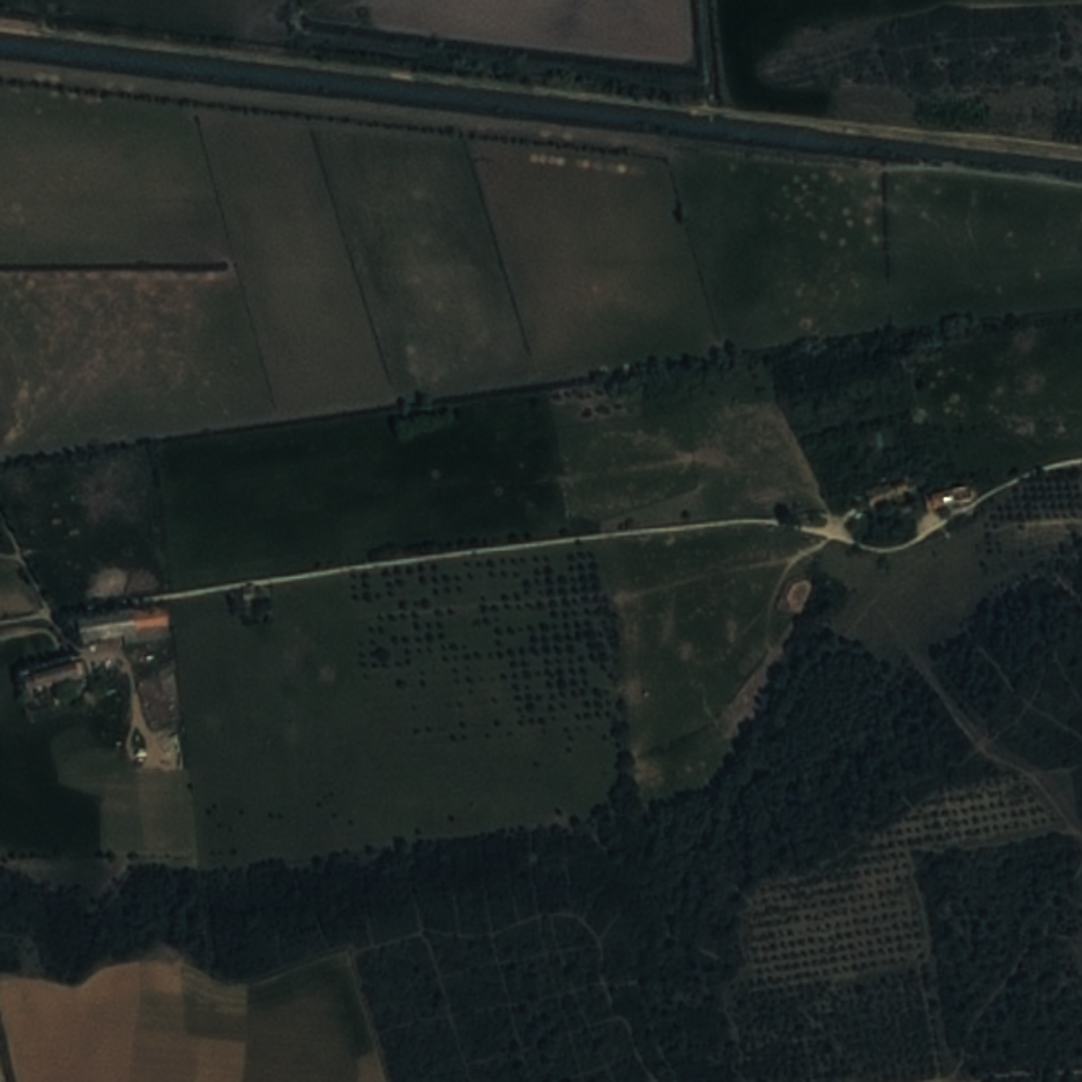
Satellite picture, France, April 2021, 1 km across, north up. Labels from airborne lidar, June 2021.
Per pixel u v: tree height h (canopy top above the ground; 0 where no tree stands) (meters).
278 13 0
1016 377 0
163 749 0
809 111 0
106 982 0
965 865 12
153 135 0
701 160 0
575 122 7
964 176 0
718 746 0
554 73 11
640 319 0
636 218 0
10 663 0
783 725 14
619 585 0
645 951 7
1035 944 7
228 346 0
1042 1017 13
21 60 6
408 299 0
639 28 0
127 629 0
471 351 0
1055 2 0
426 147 0
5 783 0
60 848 8
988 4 0
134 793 0
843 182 0
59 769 0
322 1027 0
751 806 17
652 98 17
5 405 0
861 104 0
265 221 0
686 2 0
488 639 0
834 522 0
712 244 0
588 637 7
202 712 0
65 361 0
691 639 0
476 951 8
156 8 0
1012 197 0
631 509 0
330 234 0
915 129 0
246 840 0
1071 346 0
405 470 0
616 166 0
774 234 0
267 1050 0
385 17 0
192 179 0
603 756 0
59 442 0
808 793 15
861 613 0
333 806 0
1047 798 0
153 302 0
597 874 7
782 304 0
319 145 0
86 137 0
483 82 10
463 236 0
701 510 0
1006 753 0
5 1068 0
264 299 0
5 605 0
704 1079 6
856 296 0
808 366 14
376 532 0
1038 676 10
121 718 0
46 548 0
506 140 6
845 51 0
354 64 6
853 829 7
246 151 0
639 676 0
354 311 0
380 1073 0
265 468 0
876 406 11
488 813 0
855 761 6
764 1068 5
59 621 14
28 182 0
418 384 0
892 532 10
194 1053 0
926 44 0
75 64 5
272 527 0
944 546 0
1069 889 12
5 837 0
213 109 7
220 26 0
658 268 0
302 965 0
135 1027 0
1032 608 16
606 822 11
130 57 0
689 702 0
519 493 0
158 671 0
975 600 0
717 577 0
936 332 8
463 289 0
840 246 0
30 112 0
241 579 0
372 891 8
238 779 0
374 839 0
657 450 0
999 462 0
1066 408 0
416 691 0
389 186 0
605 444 0
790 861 13
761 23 0
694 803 16
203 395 0
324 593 0
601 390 5
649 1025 10
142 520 0
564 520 0
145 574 0
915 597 0
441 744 0
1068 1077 8
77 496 0
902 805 8
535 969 8
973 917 12
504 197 0
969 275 0
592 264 0
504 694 0
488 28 0
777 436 0
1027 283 0
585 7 0
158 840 0
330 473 0
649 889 8
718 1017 8
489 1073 5
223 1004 0
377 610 0
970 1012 13
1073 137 6
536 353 0
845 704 15
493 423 0
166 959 0
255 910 13
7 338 0
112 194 0
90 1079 0
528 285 0
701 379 13
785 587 0
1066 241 0
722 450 0
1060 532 0
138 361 0
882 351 10
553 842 6
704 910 13
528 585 7
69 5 0
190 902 14
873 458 10
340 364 0
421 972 9
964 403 0
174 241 0
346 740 0
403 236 0
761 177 0
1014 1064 11
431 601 5
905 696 12
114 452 8
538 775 0
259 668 0
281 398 0
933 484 6
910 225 0
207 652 0
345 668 0
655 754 0
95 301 0
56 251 0
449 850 6
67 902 8
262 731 0
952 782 8
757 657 0
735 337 0
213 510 0
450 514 0
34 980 0
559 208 0
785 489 0
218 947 7
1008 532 0
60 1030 0
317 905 7
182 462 0
